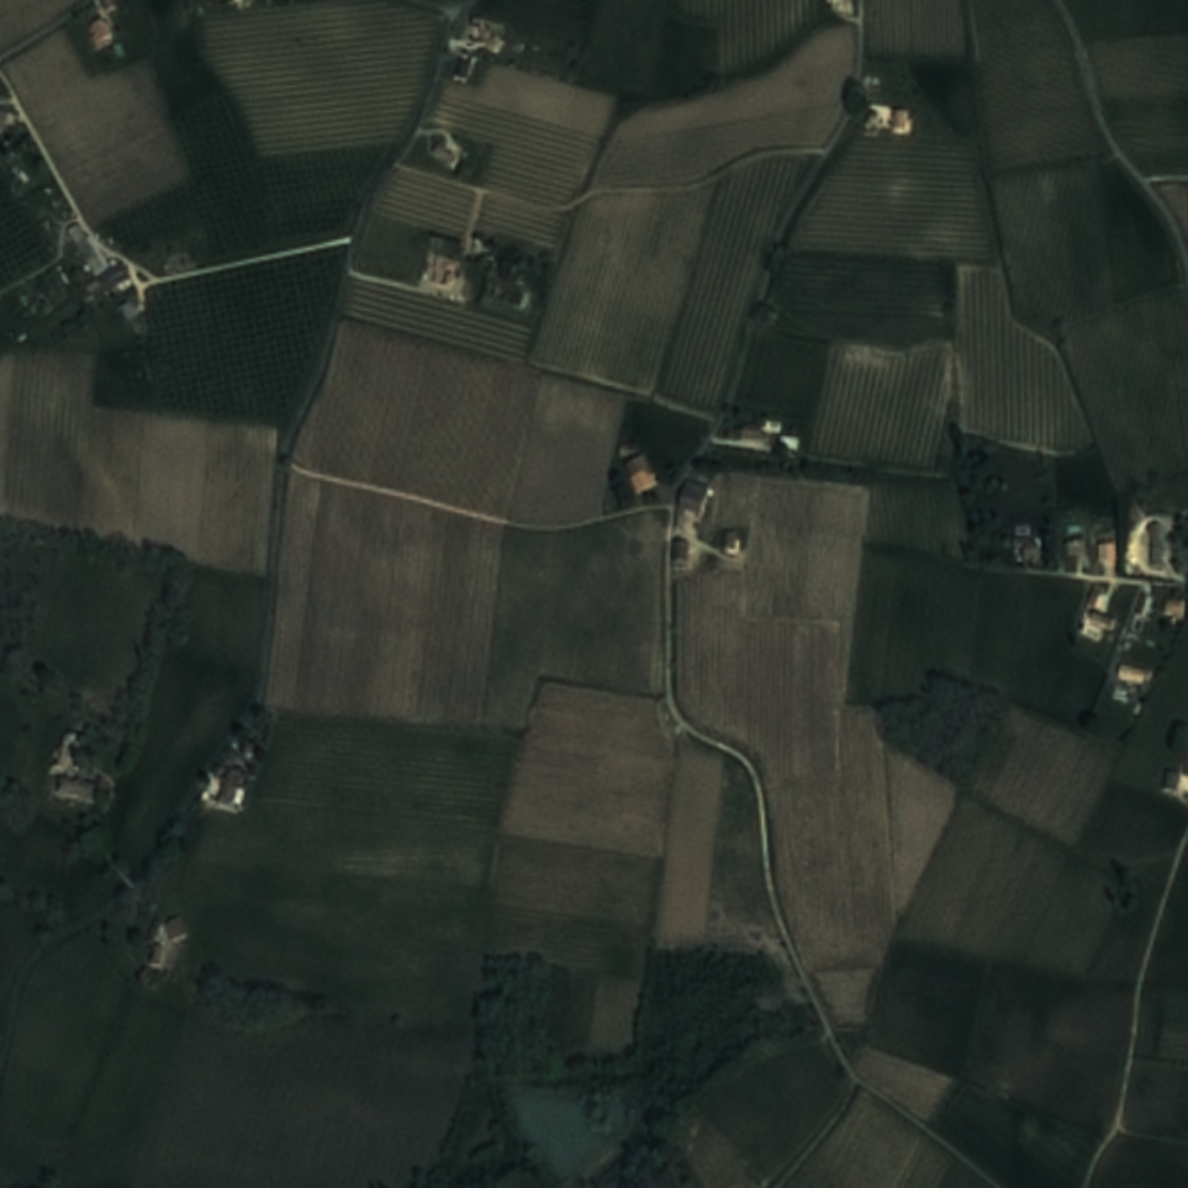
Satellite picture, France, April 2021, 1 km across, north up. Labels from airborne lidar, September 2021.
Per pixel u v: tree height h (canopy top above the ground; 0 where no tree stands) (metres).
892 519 0
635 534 0
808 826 0
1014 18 0
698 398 0
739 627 0
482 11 0
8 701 0
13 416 0
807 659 0
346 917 0
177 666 0
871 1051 0
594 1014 0
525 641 0
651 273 0
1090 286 0
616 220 0
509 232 0
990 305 0
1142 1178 0
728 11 0
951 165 0
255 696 0
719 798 0
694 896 0
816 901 0
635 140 0
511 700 0
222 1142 0
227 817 0
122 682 0
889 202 0
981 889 0
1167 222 0
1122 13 0
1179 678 0
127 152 0
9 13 0
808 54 0
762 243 0
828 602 0
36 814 19
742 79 0
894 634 0
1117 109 0
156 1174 0
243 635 0
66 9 0
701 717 0
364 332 0
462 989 0
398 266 0
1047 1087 0
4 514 0
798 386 0
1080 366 0
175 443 0
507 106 0
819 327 0
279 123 0
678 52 0
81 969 0
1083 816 0
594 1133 12
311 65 0
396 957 0
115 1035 0
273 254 0
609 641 0
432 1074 0
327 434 0
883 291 0
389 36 0
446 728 0
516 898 0
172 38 0
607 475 0
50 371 0
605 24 0
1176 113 0
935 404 0
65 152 0
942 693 16
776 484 0
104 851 14
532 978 18
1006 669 0
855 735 0
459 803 0
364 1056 0
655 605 0
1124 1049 0
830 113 0
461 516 0
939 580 0
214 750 0
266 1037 19
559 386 0
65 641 0
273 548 0
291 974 0
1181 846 0
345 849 0
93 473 0
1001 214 0
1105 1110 0
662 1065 10
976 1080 0
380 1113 0
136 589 0
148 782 0
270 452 0
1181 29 0
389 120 0
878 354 0
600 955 0
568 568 0
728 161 0
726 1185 0
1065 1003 0
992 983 0
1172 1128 0
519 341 0
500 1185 13
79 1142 0
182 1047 0
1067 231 0
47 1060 0
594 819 0
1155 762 0
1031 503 0
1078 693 0
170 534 0
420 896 0
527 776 0
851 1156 0
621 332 0
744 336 0
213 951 0
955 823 0
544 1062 24
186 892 0
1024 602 0
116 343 0
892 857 0
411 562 0
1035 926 0
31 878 0
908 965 0
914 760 23
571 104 0
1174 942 0
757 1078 0
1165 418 0
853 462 0
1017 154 0
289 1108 0
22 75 0
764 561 0
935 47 0
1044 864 0
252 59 0
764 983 7
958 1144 0
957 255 0
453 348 0
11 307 0
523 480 0
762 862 0
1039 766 0
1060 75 0
